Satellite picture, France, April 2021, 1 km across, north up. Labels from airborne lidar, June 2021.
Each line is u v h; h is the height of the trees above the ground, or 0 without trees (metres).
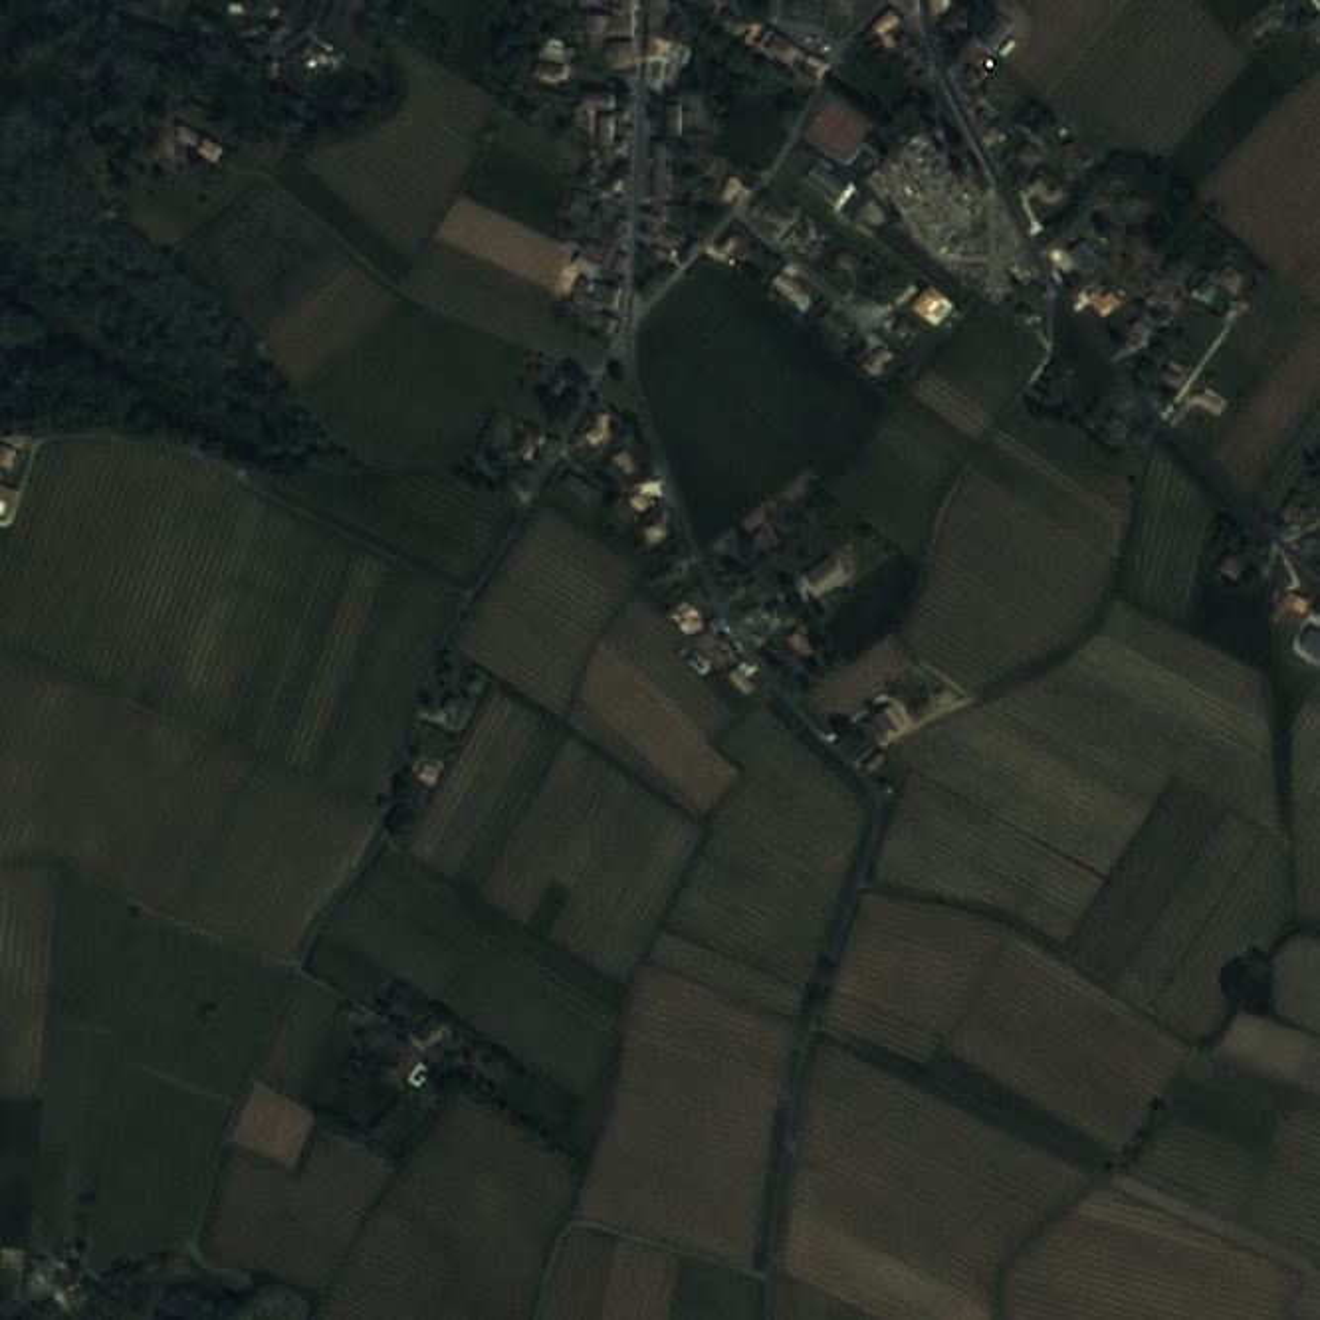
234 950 0
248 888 0
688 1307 0
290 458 11
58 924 0
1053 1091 0
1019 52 0
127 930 0
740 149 0
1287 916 0
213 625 0
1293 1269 0
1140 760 0
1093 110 0
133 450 0
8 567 0
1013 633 0
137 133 7
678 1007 0
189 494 0
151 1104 0
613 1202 0
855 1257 0
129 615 0
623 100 15
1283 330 0
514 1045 0
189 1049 0
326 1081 0
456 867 0
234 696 0
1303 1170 0
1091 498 0
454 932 0
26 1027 0
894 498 0
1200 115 0
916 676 0
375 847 0
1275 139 0
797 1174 0
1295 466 0
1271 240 0
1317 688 0
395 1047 10
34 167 17
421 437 0
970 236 0
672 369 0
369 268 0
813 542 0
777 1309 0
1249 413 0
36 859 0
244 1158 0
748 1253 0
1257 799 0
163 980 0
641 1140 0
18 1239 0
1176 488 0
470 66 0
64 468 0
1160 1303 0
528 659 0
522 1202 0
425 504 0
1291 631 0
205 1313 24
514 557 0
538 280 0
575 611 0
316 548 0
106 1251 0
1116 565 0
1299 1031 0
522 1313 0
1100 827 0
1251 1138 0
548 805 0
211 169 14
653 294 9
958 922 0
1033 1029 0
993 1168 0
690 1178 0
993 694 0
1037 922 0
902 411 0
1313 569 0
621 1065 0
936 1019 0
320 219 0
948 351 0
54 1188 0
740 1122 0
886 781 6
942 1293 0
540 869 0
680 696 0
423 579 0
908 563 0
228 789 0
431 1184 0
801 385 0
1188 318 0
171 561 0
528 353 0
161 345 20
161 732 0
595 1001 0
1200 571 0
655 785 0
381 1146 12
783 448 0
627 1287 0
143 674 0
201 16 15
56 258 6
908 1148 0
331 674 0
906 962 0
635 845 0
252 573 0
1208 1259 0
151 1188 0
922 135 0
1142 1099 0
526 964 0
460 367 0
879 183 0
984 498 0
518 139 0
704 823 0
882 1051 0
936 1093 0
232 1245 0
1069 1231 0
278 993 0
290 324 0
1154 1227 0
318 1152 0
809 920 0
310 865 0
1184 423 0
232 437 0
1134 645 0
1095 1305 0
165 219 0
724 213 8
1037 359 0
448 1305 0
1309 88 0
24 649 0
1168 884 0
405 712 0
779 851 0
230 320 15
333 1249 0
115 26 16
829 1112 0
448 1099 18
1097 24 0
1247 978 17
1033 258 0
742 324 0
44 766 0
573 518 0
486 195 0
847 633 0
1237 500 0
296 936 0
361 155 0
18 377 22
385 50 10
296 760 0
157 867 0
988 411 0
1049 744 0
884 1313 0
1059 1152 0
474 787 0
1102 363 0
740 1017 0
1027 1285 0
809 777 0
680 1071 0
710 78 8
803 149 0
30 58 16
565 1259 0
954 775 0
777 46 0
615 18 0
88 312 32
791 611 10
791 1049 0
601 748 0
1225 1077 0
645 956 0
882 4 0
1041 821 0
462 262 0
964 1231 0
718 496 0
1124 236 10
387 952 0
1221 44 0
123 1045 0
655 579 8
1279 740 0
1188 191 17
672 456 0
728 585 8
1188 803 0
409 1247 0
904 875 0
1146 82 0
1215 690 0
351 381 0
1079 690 0
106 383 23
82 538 0
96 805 0
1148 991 0
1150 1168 0
